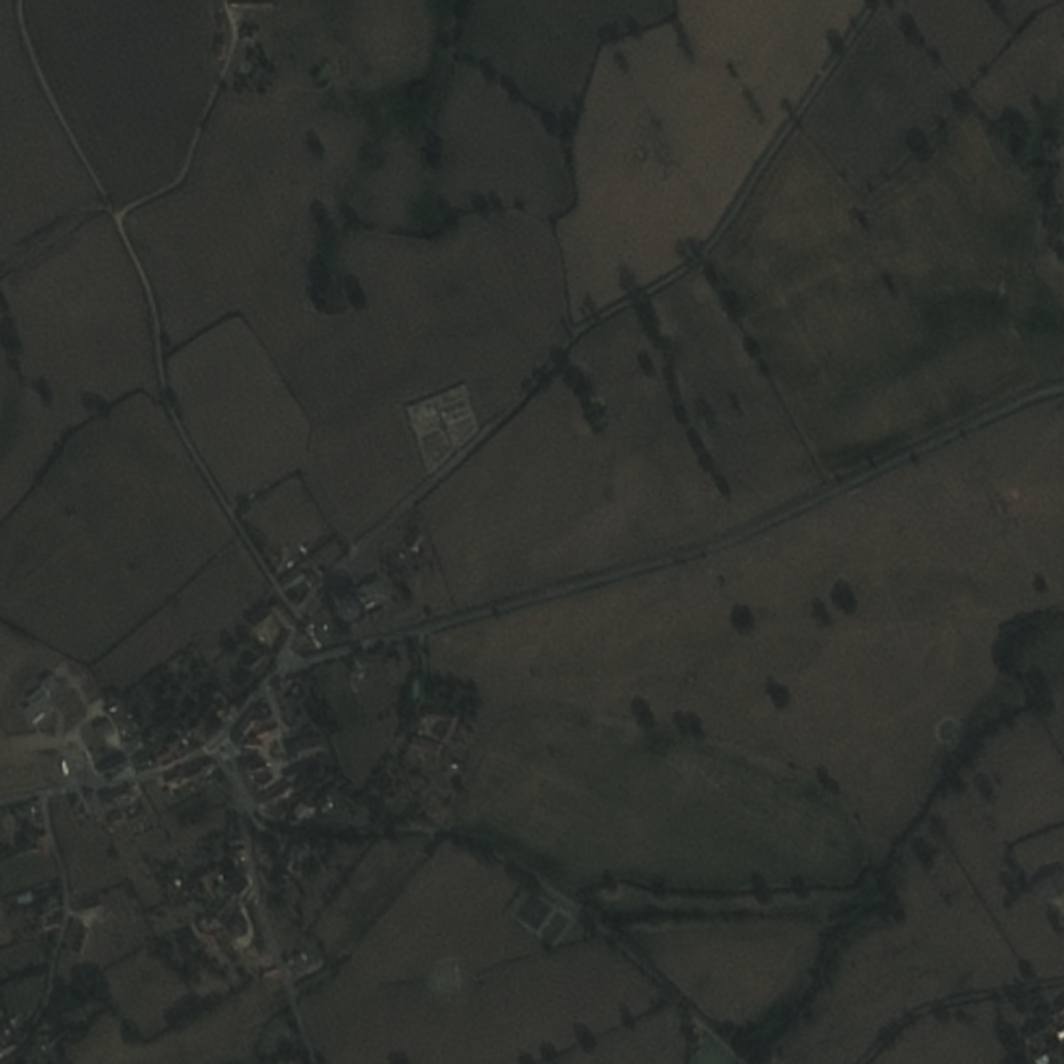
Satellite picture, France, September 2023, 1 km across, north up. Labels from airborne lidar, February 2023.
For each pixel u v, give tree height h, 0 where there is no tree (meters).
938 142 0
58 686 0
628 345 0
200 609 0
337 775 12
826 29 0
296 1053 6
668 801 0
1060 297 0
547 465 0
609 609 0
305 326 0
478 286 0
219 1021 0
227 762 0
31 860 0
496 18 0
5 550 0
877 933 0
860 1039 0
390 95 0
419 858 0
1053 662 0
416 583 0
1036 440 0
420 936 0
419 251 0
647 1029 0
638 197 0
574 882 0
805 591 0
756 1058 14
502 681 0
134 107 0
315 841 19
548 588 0
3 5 0
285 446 0
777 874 0
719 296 10
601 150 0
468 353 0
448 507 0
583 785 0
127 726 0
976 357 0
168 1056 0
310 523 0
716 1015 0
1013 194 0
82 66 0
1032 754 0
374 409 0
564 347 0
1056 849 0
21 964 0
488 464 0
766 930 0
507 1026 0
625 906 0
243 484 0
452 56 9
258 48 9
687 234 0
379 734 0
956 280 0
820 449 0
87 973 12
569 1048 0
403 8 0
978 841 0
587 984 0
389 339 0
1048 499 0
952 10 0
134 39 0
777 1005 0
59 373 0
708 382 0
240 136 0
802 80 0
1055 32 0
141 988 0
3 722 0
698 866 0
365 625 0
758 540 0
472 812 0
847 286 0
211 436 0
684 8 0
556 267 0
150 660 0
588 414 14
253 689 10
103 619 0
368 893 0
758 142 0
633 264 0
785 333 0
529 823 0
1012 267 0
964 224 0
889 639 0
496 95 0
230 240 0
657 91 0
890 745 0
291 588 7
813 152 0
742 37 0
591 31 0
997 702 0
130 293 0
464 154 0
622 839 0
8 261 0
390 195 0
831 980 10
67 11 0
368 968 0
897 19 0
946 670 0
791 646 0
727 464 0
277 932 0
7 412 0
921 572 0
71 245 0
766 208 0
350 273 0
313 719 13
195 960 6
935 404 0
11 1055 0
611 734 0
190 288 0
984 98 0
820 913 0
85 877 0
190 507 0
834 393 0
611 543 0
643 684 0
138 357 0
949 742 0
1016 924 0
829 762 0
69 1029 8
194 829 0
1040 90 0
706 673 0
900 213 0
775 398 0
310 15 0
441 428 0
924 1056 0
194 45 0
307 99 0
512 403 0
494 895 0
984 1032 0
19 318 0
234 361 0
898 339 0
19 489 0
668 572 0
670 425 0
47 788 0
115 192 0
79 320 0
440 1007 0
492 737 0
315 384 0
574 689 0
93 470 0
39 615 0
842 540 0
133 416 0
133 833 0
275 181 0
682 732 14
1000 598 0
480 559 0
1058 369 0
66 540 0
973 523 0
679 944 0
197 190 0
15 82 0
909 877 0
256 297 0
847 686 0
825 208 0
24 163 0
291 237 0
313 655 0
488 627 0
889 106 0
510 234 0
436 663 0
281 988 0
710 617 0
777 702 15
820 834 0
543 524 0
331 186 0
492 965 0
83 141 0
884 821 0
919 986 0
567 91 0
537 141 0
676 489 0
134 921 0
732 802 0
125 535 0
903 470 0
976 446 0
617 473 0
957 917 0
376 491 0
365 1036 0
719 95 0
